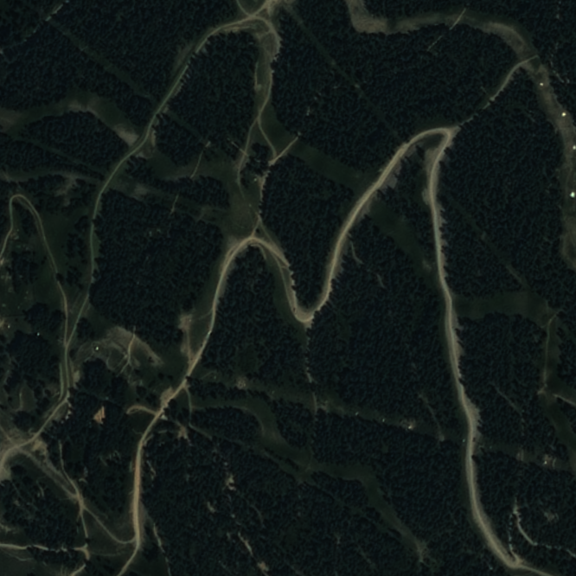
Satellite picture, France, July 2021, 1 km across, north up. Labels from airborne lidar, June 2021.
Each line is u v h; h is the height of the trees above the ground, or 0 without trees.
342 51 20
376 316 14
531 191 15
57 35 22
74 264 0
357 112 16
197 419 23
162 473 12
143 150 0
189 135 23
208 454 24
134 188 0
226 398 21
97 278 18
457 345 0
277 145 0
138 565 0
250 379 15
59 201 6
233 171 0
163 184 19
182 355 0
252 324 20
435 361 23
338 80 25
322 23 19
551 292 22
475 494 0
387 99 23
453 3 8
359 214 0
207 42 0
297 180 10
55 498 19
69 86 19
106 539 0
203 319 0
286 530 15
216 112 20
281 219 25
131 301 26
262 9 0
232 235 0
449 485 19
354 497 13
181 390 0
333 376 26
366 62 16
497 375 15
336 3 23
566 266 15
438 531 14
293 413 14
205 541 25
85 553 0
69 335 0
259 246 0
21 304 0
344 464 24
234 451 24
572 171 0
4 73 25
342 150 8
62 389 0
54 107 0
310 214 8
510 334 15
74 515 0
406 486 23
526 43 0
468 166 16
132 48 26
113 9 8
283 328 11
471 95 16
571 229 0
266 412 0
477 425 0
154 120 0
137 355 0
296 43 20
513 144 24
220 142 24
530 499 23
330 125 9
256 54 14
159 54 8
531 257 12
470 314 0
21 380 22
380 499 0
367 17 0
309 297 12
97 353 0
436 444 23
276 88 8
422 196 0
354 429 23
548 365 0
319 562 26
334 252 0
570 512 15
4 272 0
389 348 13
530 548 18
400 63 14
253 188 0
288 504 21
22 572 0
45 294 0
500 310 0
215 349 13
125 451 22
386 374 20
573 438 0
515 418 21
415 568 11
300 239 12
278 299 0
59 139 13
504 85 0
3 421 0
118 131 0
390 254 22
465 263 22
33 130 12
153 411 0
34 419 25
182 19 25
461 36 13
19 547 0
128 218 17
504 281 21
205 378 0
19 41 24
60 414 0
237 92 18
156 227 25
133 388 0
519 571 0
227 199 12
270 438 0
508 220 8
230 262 0
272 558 24
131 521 0
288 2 0
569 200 0
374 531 25
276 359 13
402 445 26
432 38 17
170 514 18
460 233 20
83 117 19
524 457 0
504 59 16
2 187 21
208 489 22
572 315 13
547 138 18
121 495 23
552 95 0
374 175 0
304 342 0
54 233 0
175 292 17
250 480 13
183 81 0
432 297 23
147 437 0
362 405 26
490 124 7
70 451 16
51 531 20
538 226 19
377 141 19
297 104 21
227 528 22
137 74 21
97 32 25
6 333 0
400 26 0
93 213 0
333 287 0
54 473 0
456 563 20
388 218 0
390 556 24
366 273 24
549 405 0
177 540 21
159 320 22
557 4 23
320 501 7
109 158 18
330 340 20
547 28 25
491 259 12
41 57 20
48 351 23
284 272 0
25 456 0
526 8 18
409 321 22
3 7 0
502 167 23
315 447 12
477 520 0
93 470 19
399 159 0
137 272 24
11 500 26
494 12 19
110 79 23
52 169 11
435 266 0
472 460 0
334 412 0
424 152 22
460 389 0
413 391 18
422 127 0
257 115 0
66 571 0
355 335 18
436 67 15
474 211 18
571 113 17
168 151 15
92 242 0
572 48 25
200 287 25
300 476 0
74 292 0
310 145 11
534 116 15
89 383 20
